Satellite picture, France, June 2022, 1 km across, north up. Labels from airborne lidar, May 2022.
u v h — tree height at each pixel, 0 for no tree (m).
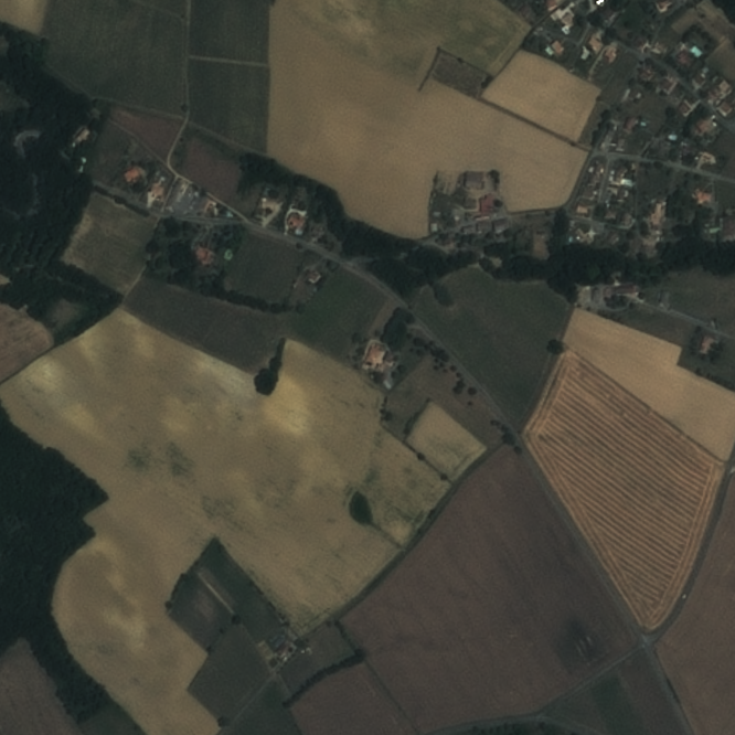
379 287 0
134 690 0
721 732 0
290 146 0
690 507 0
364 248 22
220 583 0
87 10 0
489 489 0
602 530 0
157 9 0
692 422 0
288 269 0
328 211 16
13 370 0
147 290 0
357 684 0
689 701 0
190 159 0
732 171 0
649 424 0
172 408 0
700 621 0
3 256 16
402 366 11
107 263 0
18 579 13
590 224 0
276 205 0
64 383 0
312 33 0
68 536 16
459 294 0
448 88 0
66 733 0
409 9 0
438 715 0
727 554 0
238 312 0
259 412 0
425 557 0
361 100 0
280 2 0
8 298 19
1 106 0
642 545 0
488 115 0
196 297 0
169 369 0
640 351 0
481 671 0
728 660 0
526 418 0
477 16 0
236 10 0
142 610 0
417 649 0
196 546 0
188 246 14
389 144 0
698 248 19
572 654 0
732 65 0
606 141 0
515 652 0
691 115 10
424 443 0
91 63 0
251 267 0
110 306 13
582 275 31
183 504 0
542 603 0
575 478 0
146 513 0
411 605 0
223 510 0
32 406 0
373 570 0
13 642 12
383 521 0
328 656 0
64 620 0
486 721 0
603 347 0
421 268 11
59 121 19
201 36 0
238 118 0
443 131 0
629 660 0
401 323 16
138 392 0
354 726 0
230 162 0
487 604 0
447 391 0
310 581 0
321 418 0
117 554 0
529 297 0
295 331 0
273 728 0
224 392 0
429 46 0
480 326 0
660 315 0
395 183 0
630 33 7
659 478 0
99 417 0
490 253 14
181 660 0
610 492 0
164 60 0
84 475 15
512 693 0
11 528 19
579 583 0
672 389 0
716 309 0
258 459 0
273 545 0
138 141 0
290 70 0
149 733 0
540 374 0
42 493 14
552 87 0
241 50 0
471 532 0
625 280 10
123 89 0
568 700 0
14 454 17
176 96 0
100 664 0
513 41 0
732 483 0
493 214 0
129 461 0
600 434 0
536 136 0
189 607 0
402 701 0
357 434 0
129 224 0
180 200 0
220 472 0
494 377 0
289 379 0
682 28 0
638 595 0
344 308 0
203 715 0
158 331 0
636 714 0
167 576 0
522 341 0
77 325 8
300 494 0
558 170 0
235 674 0
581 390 0
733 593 0
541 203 0
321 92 0
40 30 0
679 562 0
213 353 0
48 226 18
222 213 10
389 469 0
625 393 0
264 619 0
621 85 0
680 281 0
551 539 0
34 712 0
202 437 0
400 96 0
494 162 0
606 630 0
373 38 0
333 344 0
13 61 18
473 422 0
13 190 17
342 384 0
